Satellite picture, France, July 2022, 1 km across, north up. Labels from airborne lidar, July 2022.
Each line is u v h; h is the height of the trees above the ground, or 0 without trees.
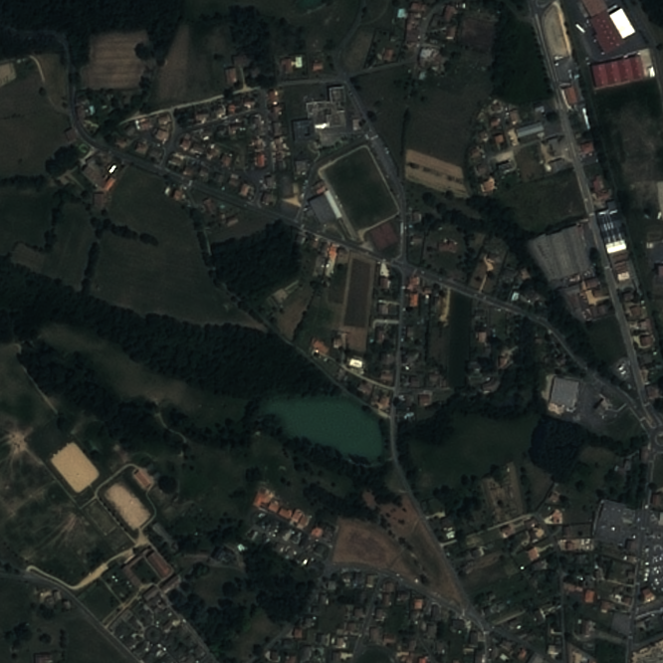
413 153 0
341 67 0
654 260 0
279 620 19
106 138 13
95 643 0
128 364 0
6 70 0
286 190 0
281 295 0
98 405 8
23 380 0
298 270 8
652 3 16
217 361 14
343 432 0
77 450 0
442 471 0
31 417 0
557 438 33
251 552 10
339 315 0
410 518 0
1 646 0
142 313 0
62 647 13
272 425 9
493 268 0
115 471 0
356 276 0
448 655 0
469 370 16
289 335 0
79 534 0
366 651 0
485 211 10
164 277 0
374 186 0
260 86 17
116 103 9
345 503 19
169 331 13
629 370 0
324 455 15
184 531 0
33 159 0
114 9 20
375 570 0
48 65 0
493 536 0
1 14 22
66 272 0
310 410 0
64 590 0
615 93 0
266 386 14
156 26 19
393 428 0
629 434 0
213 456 0
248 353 11
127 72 0
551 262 0
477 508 22
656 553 0
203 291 0
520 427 0
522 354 13
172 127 0
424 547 0
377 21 0
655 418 0
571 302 0
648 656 0
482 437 0
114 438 15
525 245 18
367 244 0
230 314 0
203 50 0
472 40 0
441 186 0
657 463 0
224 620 25
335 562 0
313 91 0
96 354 0
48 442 0
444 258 0
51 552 0
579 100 0
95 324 8
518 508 0
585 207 0
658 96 0
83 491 0
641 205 0
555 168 0
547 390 0
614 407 0
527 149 0
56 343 0
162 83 0
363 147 0
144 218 0
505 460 0
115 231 22
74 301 19
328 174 0
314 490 16
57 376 27
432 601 0
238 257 16
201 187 0
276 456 0
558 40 0
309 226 0
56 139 0
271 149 0
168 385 0
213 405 0
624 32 0
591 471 12
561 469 32
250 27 20
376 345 10
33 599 0
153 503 0
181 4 11
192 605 15
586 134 12
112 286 0
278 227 14
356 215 0
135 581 0
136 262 0
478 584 0
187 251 0
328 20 0
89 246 0
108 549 0
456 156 0
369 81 0
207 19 21
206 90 0
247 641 0
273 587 20
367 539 0
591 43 0
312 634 0
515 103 0
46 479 0
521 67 0
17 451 0
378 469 7
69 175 0
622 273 0
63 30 18
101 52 0
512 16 6
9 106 0
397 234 0
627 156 0
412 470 6
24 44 15
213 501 0
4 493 0
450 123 0
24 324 10
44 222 0
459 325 0
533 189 0
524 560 0
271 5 0
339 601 6
